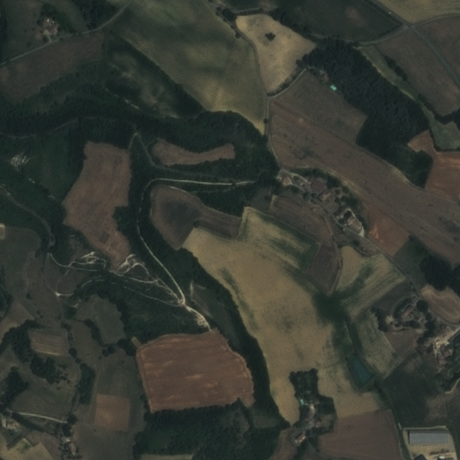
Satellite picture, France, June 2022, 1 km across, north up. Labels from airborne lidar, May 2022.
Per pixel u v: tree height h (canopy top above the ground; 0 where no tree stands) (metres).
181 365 0
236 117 8
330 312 0
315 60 18
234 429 9
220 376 0
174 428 9
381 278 0
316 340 0
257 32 0
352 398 0
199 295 0
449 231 0
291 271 0
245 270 0
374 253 0
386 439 0
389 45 0
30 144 10
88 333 0
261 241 0
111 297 8
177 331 9
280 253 0
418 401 0
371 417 0
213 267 0
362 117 0
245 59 0
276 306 0
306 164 0
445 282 12
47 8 11
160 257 10
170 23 0
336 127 0
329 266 0
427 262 19
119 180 0
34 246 0
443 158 0
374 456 0
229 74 0
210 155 0
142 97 0
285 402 0
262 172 7
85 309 0
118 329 0
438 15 0
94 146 0
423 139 0
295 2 0
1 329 0
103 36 0
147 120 10
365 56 11
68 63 0
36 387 0
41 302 0
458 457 0
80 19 0
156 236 17
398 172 0
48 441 0
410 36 0
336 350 0
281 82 0
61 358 0
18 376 10
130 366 0
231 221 0
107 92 6
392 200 0
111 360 0
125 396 0
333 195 0
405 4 0
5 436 0
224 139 9
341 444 0
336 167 0
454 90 0
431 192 0
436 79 0
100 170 0
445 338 0
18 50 0
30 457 0
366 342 0
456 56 0
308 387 9
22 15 0
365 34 0
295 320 0
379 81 19
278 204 0
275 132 0
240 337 6
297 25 16
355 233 0
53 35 9
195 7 0
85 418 0
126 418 0
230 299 7
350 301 0
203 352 0
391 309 0
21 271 0
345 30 0
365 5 0
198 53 0
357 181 0
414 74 0
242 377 0
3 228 0
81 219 0
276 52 0
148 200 15
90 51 0
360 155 0
